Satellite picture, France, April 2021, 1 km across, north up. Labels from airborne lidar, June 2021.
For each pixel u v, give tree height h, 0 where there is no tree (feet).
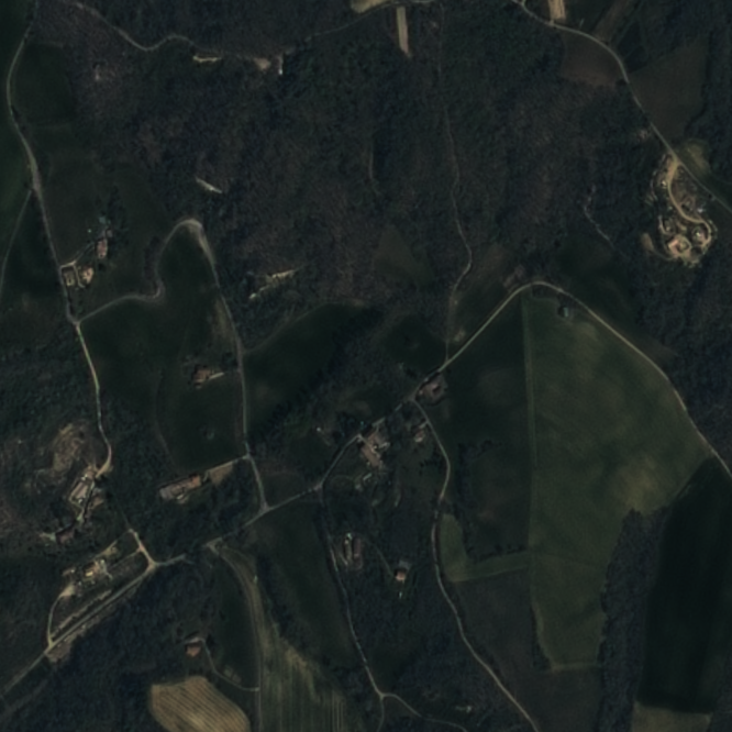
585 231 66
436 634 27
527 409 0
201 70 44
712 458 0
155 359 0
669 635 0
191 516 22
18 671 19
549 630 0
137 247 0
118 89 59
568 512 0
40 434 27
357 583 60
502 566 0
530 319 0
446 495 0
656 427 0
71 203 0
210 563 27
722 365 52
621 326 0
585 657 0
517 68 46
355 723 0
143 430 42
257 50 37
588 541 0
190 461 0
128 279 0
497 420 0
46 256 27
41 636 21
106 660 52
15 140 0
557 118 54
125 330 0
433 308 113
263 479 0
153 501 30
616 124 30
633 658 59
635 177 19
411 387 77
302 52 29
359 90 71
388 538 39
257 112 59
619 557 47
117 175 0
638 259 68
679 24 39
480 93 40
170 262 0
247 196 64
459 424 0
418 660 46
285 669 0
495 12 48
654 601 0
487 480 0
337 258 67
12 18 0
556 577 0
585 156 58
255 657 0
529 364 0
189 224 0
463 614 31
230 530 107
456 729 48
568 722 0
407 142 54
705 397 71
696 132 57
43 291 0
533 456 0
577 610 0
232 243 60
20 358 42
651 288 35
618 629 68
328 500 51
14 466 31
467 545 49
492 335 0
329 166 85
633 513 35
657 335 29
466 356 0
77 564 30
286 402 0
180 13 82
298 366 0
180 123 29
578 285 0
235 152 61
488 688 33
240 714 0
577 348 0
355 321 0
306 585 0
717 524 0
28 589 56
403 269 0
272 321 30
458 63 33
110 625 35
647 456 0
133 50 53
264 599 0
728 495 0
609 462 0
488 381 0
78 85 72
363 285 60
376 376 106
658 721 0
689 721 0
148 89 33
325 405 107
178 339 0
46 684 75
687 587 0
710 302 49
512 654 0
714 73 57
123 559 48
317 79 37
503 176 54
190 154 49
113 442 74
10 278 0
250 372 0
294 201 62
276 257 39
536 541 0
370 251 67
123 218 68
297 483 0
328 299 41
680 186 0
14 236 0
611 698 56
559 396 0
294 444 0
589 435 0
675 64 0
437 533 39
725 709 38
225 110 36
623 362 0
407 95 50
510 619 0
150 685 36
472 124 44
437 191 41
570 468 0
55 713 28
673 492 0
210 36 56
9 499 33
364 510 47
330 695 0
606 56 0
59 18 43
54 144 0
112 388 0
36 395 27
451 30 39
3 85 0
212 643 39
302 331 0
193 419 0
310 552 0
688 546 0
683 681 0
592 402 0
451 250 34
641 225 31
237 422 0
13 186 0
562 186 49
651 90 0
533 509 0
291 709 0
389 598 37
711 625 0
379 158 30
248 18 44
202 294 0
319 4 55
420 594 32
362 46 51
